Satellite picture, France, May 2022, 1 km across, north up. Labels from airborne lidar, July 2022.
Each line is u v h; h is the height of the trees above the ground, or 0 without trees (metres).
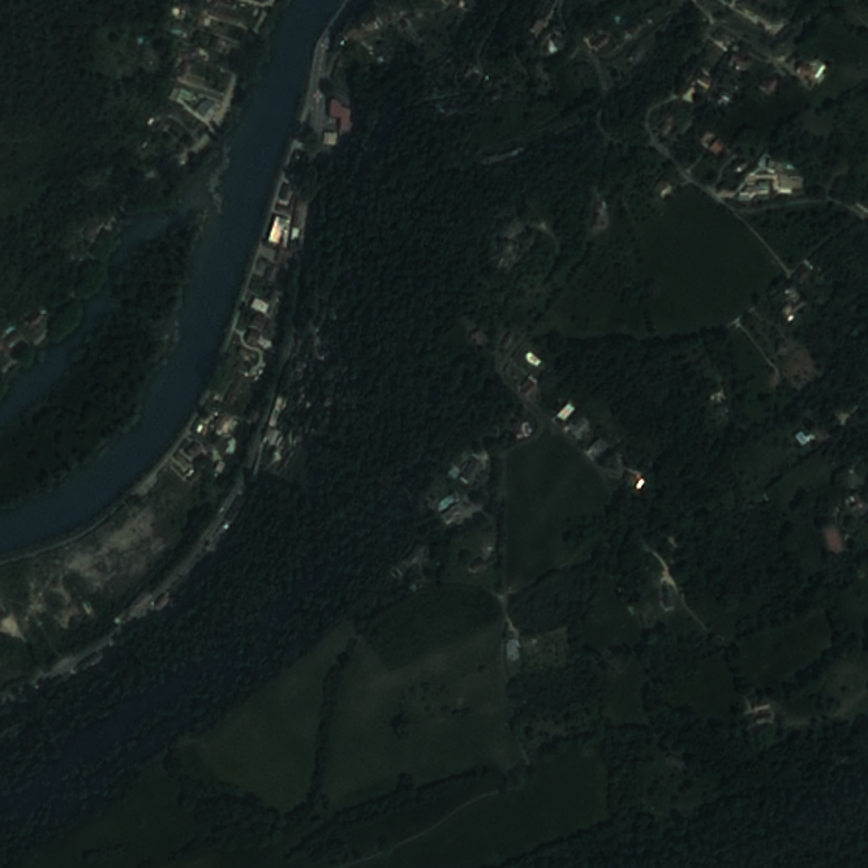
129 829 0
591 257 15
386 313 14
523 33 6
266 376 13
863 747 26
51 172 6
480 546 0
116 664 19
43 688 15
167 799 0
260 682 11
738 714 14
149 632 9
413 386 11
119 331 18
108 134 11
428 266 12
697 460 13
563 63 12
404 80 24
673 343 15
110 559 0
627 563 16
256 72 29
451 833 0
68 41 16
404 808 7
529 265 7
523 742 7
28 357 24
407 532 9
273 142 0
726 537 7
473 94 9
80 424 16
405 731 16
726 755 15
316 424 21
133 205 19
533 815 0
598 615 0
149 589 9
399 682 0
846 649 19
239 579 9
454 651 0
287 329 17
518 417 13
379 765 0
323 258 19
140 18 12
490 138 0
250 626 7
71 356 15
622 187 9
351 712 0
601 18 12
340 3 0
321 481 21
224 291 0
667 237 0
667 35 9
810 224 6
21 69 16
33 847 18
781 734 10
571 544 9
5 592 0
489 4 21
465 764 0
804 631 0
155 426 0
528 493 0
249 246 0
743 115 0
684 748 11
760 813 16
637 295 10
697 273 0
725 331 16
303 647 10
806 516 7
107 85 11
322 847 16
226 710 12
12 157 5
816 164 10
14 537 0
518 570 0
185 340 0
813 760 9
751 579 12
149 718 20
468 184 24
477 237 8
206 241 0
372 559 10
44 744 20
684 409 14
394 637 0
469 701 0
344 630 0
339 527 18
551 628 6
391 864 0
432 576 13
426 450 9
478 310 14
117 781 16
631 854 13
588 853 13
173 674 8
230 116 10
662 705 18
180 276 11
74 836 0
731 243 0
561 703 14
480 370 19
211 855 0
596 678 10
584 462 0
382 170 20
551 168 10
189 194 0
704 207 0
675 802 9
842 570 6
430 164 27
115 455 0
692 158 7
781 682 0
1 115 6
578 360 24
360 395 19
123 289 14
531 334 8
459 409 10
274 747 0
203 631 16
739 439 18
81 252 7
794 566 15
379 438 19
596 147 17
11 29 13
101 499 0
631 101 14
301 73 0
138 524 0
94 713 19
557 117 0
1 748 11
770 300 7
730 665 17
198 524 13
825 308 7
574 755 0
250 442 8
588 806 0
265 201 0
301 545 14
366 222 27
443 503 0
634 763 12
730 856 15
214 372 34
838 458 9
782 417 14
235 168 0
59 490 0
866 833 10
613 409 11
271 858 0
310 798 10
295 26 0
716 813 17
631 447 7
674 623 0
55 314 17
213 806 25
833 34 0
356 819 10
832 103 16
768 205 8
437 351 9
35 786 7
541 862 21
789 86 11
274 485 24
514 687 13
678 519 14
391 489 6
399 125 20
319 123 0
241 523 6
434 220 13
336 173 21
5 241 15
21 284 9
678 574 18
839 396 11
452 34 7
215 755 0
